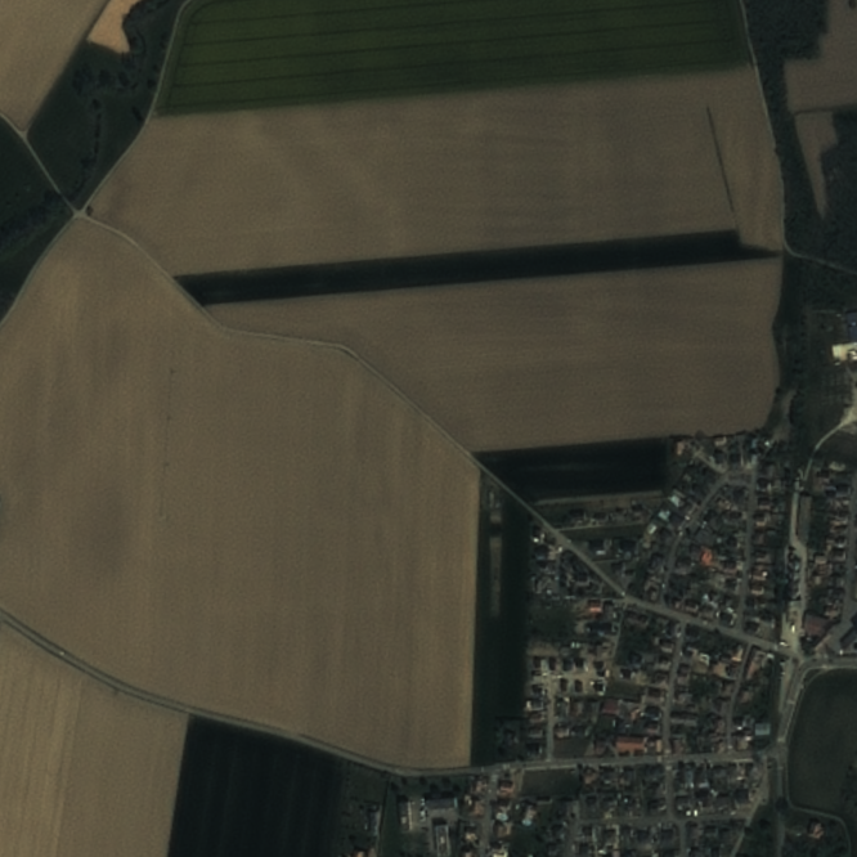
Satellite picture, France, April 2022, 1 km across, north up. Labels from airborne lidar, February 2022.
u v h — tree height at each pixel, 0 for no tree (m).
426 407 0
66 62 0
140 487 0
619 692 0
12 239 22
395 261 0
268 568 0
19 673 0
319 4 0
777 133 7
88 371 0
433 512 0
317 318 0
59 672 0
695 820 0
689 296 0
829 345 0
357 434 0
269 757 0
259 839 0
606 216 0
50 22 0
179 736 0
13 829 0
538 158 0
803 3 13
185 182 0
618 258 0
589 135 0
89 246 0
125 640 0
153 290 0
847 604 0
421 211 0
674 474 0
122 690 0
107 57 0
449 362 0
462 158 0
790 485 8
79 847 0
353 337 0
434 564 0
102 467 0
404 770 0
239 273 0
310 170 0
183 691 0
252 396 0
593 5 0
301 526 0
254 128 0
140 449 0
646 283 0
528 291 0
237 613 0
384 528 0
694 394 0
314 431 0
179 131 0
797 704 0
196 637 0
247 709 0
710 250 0
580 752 0
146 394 0
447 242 0
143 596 0
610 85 0
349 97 0
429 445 0
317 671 0
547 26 0
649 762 0
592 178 0
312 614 0
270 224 0
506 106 0
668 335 0
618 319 0
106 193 0
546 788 0
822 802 0
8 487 0
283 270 0
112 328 0
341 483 0
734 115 0
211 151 0
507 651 0
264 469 0
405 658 0
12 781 0
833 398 0
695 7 0
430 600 0
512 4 0
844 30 0
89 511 0
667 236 0
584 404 0
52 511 0
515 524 0
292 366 0
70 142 0
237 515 0
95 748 0
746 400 0
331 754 0
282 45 0
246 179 0
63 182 0
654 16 0
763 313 0
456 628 0
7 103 0
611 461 0
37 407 0
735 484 0
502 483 0
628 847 0
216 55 0
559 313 0
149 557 0
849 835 0
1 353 0
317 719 0
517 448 0
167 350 0
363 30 0
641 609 0
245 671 0
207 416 0
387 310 0
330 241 0
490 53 0
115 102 0
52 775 0
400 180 0
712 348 0
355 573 0
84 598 0
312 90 0
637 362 0
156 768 0
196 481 0
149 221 0
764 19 13
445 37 0
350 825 0
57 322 0
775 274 0
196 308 0
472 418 0
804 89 0
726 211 0
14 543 0
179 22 0
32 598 0
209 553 0
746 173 0
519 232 0
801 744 0
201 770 0
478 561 0
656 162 0
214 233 0
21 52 0
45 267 0
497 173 0
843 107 0
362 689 0
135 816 0
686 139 0
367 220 0
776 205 0
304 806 0
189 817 0
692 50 0
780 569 10
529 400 0
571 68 0
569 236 0
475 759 0
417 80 0
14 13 0
